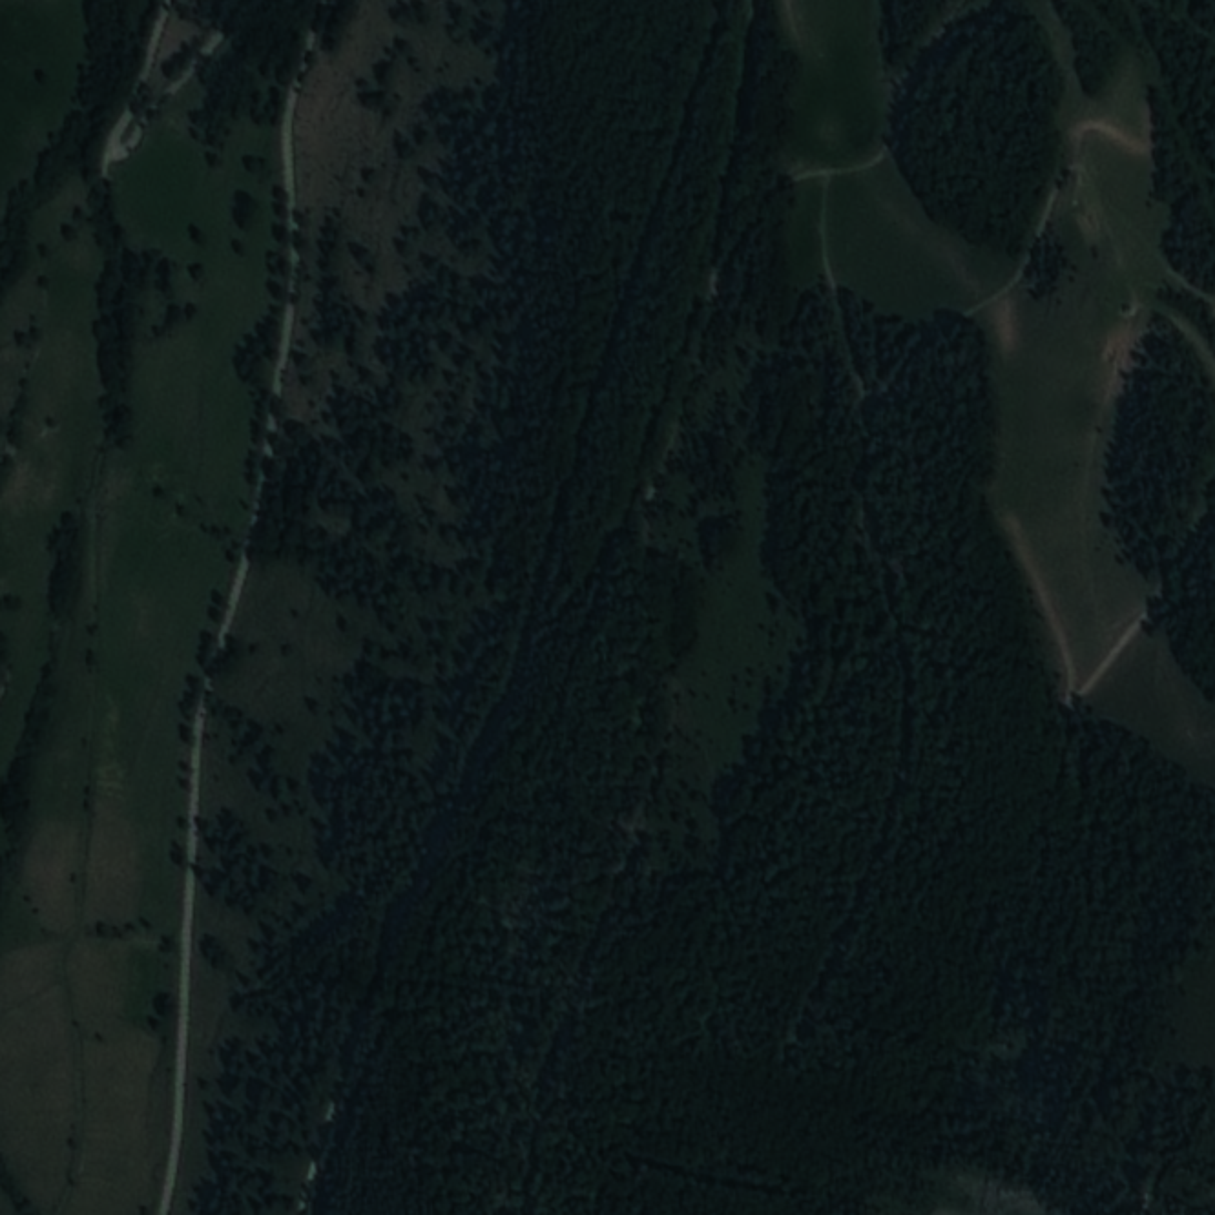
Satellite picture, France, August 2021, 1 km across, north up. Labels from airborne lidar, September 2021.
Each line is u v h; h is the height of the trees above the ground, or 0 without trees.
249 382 11
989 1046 11
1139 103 0
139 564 0
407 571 19
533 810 24
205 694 8
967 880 23
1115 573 0
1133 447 16
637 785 19
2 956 0
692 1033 25
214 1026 0
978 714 25
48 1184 0
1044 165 20
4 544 0
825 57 0
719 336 11
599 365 22
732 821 21
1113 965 6
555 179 24
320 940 16
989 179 21
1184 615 18
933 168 20
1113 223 0
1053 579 0
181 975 0
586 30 30
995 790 21
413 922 24
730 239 16
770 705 7
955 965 18
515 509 28
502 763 24
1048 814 21
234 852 18
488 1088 16
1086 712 7
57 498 0
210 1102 0
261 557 15
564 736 27
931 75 21
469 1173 22
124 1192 0
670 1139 22
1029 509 0
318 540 16
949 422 16
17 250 15
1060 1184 11
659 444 16
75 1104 0
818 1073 23
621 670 21
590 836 30
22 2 0
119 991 0
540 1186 20
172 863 0
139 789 0
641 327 25
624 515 16
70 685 0
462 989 22
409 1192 20
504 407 12
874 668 19
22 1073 0
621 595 24
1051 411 0
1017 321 0
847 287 0
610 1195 19
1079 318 0
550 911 17
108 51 14
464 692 8
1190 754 0
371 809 26
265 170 9
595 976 30
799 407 22
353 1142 23
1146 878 9
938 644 17
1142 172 0
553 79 29
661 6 28
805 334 19
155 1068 0
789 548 20
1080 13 16
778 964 26
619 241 27
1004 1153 12
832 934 26
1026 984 8
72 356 0
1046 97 16
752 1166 16
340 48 14
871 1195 8
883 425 21
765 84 19
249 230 16
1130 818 15
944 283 0
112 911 0
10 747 0
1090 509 0
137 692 0
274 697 0
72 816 0
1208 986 0
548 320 17
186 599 0
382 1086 25
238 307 0
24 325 0
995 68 22
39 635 0
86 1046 0
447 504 0
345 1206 25
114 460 0
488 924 25
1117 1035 6
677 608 23
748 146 19
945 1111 16
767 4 12
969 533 20
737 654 0
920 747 26
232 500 0
